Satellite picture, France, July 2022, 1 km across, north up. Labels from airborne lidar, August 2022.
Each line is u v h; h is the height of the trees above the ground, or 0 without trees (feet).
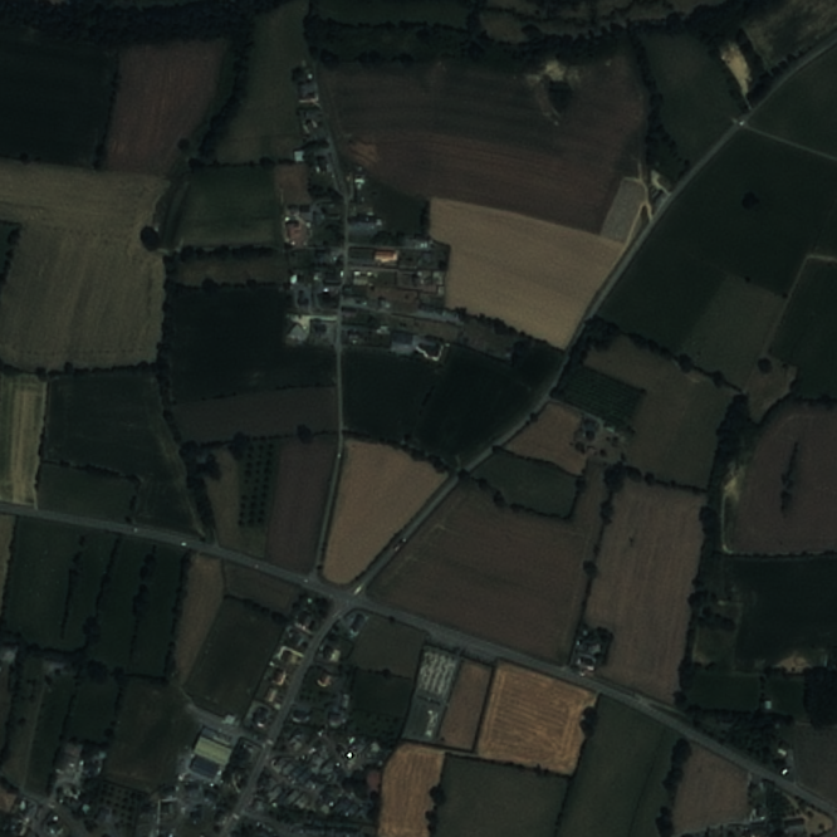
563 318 0
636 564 0
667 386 0
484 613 0
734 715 33
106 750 24
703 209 0
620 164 0
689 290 0
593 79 0
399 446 23
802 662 0
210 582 0
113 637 0
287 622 31
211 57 0
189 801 0
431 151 0
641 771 0
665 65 0
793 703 0
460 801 0
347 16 0
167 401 20
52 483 0
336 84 0
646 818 0
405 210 0
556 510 0
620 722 0
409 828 0
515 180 0
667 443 0
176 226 0
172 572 0
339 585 0
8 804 0
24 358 0
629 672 0
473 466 0
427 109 0
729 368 0
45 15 65
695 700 0
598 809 0
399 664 0
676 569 0
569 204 0
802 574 0
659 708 0
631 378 0
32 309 0
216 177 0
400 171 0
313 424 0
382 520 0
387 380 0
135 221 0
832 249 0
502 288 0
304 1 0
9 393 0
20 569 0
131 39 42
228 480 0
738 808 0
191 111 0
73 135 0
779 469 0
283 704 0
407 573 0
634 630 0
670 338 0
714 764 0
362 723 0
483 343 0
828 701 58
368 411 0
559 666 0
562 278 0
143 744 0
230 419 0
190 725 0
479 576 0
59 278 0
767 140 0
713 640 0
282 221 0
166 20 70
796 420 0
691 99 0
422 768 0
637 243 0
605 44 19
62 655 30
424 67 0
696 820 0
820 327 0
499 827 0
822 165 0
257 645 0
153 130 0
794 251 0
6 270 32
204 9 63
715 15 54
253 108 0
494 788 0
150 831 0
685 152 0
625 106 0
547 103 0
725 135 0
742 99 23
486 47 40
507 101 0
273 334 0
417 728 0
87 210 0
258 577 0
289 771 0
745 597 0
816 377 0
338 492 0
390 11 0
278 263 0
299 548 0
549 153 0
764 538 0
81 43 22
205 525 44
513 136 0
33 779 0
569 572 0
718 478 32
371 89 0
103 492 0
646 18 0
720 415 0
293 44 0
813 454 0
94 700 0
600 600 0
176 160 0
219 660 0
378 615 0
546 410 0
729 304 0
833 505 0
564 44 55
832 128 0
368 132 0
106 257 0
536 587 0
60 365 0
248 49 46
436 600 0
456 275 0
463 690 0
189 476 27
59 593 0
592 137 0
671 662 0
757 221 0
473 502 0
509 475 0
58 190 0
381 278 0
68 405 0
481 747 0
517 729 0
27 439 0
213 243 0
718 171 0
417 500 0
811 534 0
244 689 0
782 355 0
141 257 0
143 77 0
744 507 0
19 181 0
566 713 0
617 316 0
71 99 0
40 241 0
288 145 0
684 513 0
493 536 0
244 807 0
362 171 0
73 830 0
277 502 0
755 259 0
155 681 23
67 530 0
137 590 0
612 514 32
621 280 0
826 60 0
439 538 0
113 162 0
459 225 0
